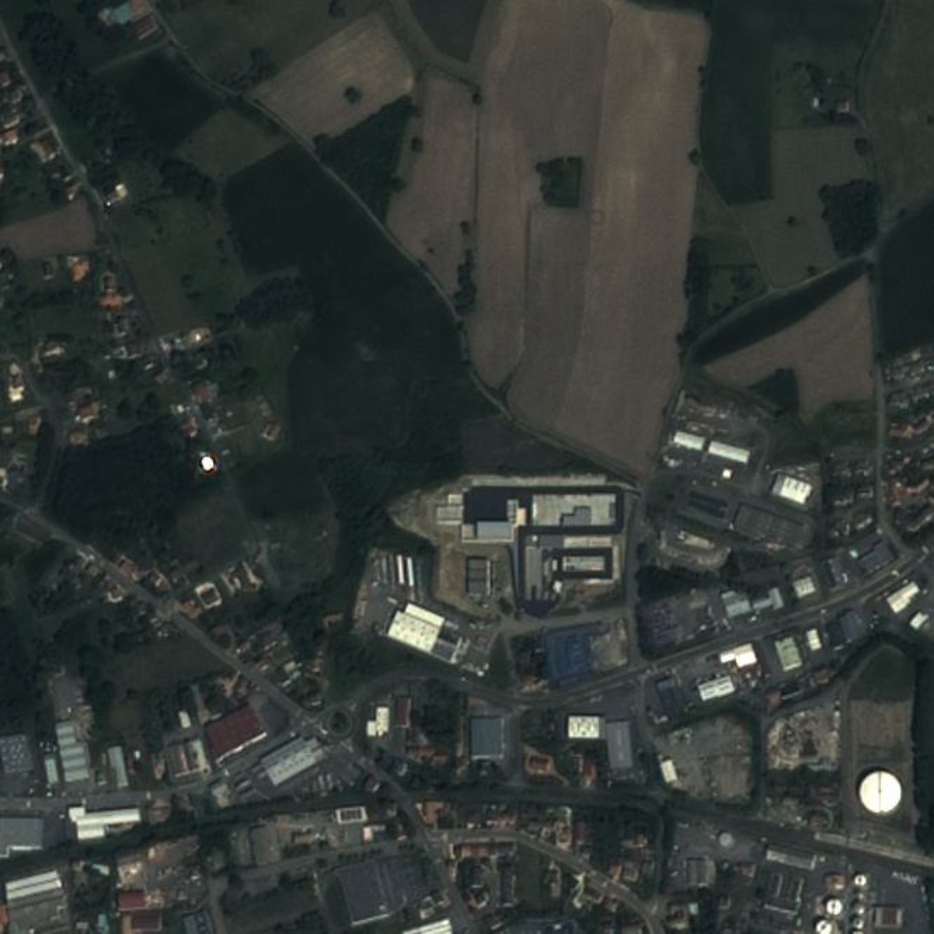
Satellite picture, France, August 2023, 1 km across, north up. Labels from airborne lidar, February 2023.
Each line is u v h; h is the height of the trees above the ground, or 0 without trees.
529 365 0
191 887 0
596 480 0
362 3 0
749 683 0
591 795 0
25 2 0
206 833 9
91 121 13
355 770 0
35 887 0
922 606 0
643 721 0
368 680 0
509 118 0
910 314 0
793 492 0
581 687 0
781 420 12
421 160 0
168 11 7
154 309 0
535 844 0
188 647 0
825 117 7
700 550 0
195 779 0
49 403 0
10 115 0
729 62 0
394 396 0
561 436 0
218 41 0
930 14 0
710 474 0
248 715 0
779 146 0
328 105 0
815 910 0
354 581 7
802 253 0
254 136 0
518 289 0
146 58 0
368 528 9
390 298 0
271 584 0
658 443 0
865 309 0
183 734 0
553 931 0
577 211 0
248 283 0
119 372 8
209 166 0
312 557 0
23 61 0
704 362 0
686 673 0
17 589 0
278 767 0
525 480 0
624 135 0
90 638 0
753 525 0
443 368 0
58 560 0
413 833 9
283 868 0
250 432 0
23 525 0
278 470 0
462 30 0
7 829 0
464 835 0
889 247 0
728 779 0
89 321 0
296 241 0
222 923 0
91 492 7
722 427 0
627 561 0
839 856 0
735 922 7
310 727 0
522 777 0
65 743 0
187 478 10
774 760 0
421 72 0
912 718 0
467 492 0
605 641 0
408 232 0
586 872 0
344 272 0
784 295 0
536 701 0
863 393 0
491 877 0
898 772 0
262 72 12
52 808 0
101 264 6
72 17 0
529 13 0
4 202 6
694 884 0
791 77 0
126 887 0
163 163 11
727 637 0
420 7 0
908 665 0
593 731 0
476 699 0
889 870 0
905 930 0
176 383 0
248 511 0
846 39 0
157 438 10
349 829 0
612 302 0
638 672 0
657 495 0
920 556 0
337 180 0
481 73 0
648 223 0
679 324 0
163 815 0
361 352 0
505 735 0
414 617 0
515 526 0
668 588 13
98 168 7
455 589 0
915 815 0
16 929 0
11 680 19
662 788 7
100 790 0
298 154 0
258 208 0
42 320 0
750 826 0
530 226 0
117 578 0
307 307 26
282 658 0
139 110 0
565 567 0
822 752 0
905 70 0
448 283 0
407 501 0
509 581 0
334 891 0
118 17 0
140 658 0
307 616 8
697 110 0
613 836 0
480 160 0
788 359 0
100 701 20
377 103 0
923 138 0
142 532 10
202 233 0
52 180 7
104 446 8
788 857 0
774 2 0
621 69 0
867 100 0
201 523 0
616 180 0
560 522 0
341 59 0
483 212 0
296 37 0
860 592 0
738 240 0
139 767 11
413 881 0
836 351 0
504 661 0
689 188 0
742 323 0
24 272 0
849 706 0
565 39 0
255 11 0
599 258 0
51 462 17
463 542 0
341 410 0
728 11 0
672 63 0
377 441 0
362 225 0
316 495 0
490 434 0
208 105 0
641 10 0
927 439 0
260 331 28
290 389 0
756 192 0
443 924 0
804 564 0
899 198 0
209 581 0
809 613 0
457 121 0
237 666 0
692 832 0
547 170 7
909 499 0
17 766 0
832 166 0
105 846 0
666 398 0
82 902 7
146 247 0
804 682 0
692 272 9
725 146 0
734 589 13
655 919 0
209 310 0
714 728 0
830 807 0
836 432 0
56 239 0
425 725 9
